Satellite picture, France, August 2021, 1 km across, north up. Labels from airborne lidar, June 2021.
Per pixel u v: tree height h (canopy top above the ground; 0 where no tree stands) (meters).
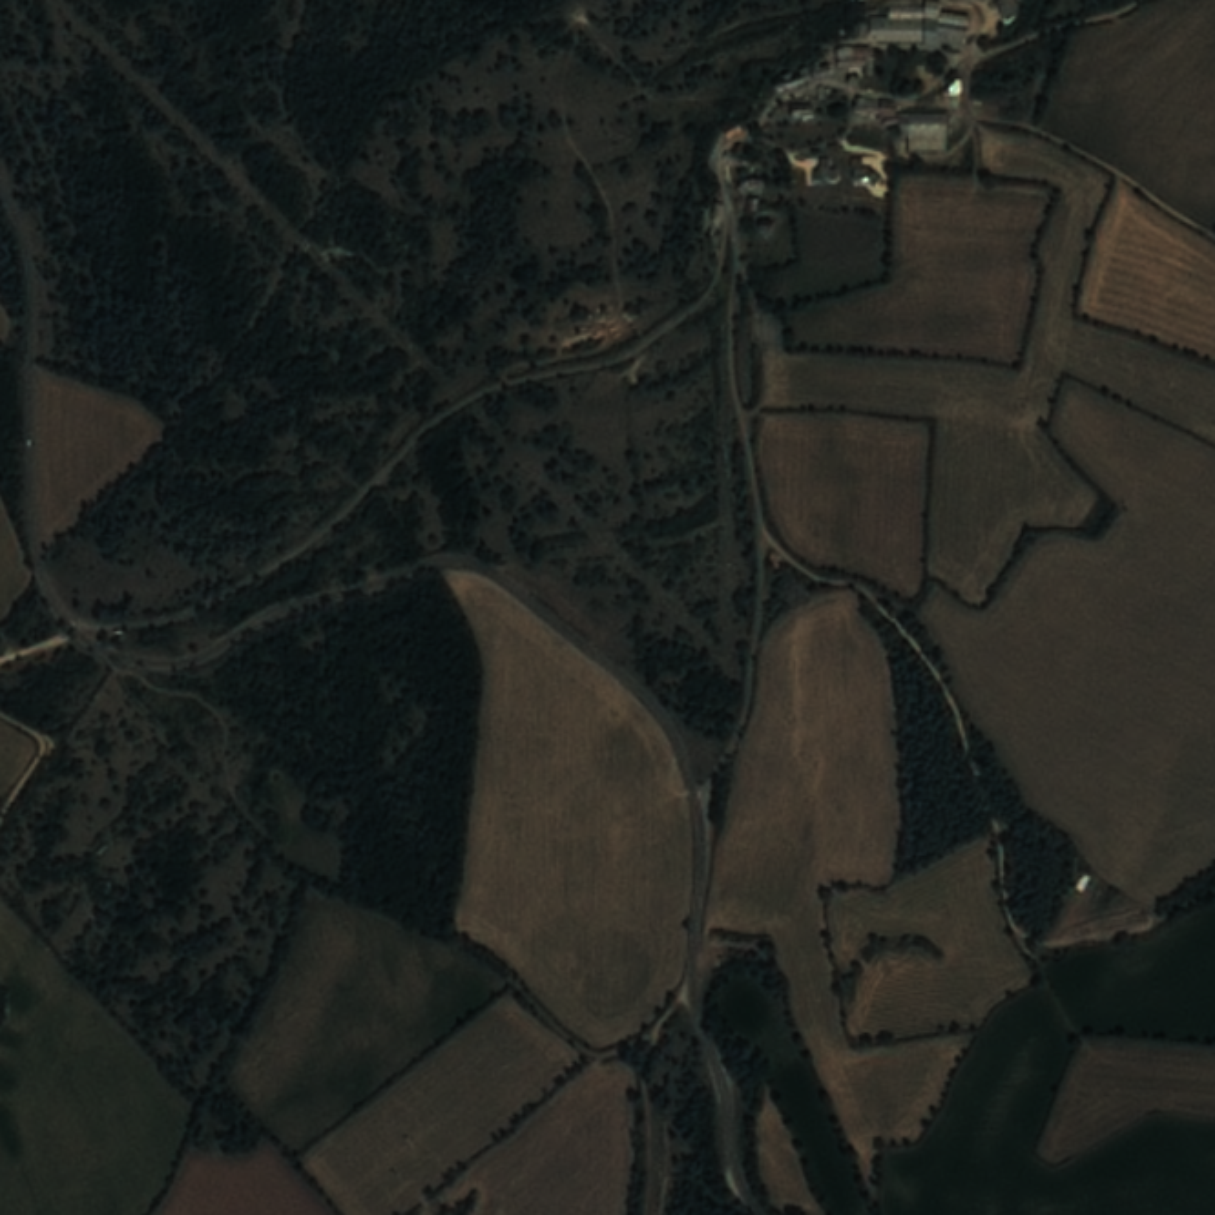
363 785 12
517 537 8
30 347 0
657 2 9
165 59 8
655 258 9
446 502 8
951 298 0
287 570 11
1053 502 0
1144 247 0
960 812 16
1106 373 0
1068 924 0
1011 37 6
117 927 7
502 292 10
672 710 12
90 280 7
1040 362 0
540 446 8
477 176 12
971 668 0
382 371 11
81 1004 0
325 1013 0
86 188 10
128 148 7
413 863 15
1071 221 0
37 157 10
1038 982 9
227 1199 0
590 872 0
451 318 12
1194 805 0
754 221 9
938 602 0
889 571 0
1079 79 0
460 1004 0
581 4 0
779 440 0
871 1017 0
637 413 0
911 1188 0
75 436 0
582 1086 0
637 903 0
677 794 0
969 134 0
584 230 0
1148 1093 0
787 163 9
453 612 12
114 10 8
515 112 9
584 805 0
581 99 0
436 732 11
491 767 0
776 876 0
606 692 0
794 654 0
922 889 0
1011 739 0
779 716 0
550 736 0
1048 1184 0
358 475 8
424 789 11
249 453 10
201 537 13
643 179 0
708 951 0
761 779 0
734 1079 11
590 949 0
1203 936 0
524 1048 0
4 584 0
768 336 0
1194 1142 0
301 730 11
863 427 0
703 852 0
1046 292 0
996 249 0
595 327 0
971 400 0
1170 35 0
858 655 0
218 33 9
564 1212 0
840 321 0
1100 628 0
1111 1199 0
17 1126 0
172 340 10
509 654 0
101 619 12
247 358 8
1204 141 0
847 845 0
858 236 0
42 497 0
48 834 9
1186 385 0
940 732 14
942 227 0
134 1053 0
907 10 0
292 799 0
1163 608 0
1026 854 15
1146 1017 0
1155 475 0
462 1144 0
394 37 7
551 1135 0
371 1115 0
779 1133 0
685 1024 0
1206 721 0
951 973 0
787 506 0
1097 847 0
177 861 7
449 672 17
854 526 0
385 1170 0
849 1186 0
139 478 9
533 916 0
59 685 9
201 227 6
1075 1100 0
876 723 0
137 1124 0
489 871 0
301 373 10
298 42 8
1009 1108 0
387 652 11
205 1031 13
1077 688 0
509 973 11
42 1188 0
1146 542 0
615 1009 0
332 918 0
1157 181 0
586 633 0
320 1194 7
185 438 8
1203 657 0
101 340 12
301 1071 0
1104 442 0
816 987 0
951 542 0
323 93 10
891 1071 0
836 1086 0
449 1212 8
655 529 7
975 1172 0
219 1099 9
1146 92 0
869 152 0
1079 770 0
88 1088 0
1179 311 0
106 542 11
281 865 8
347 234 8
